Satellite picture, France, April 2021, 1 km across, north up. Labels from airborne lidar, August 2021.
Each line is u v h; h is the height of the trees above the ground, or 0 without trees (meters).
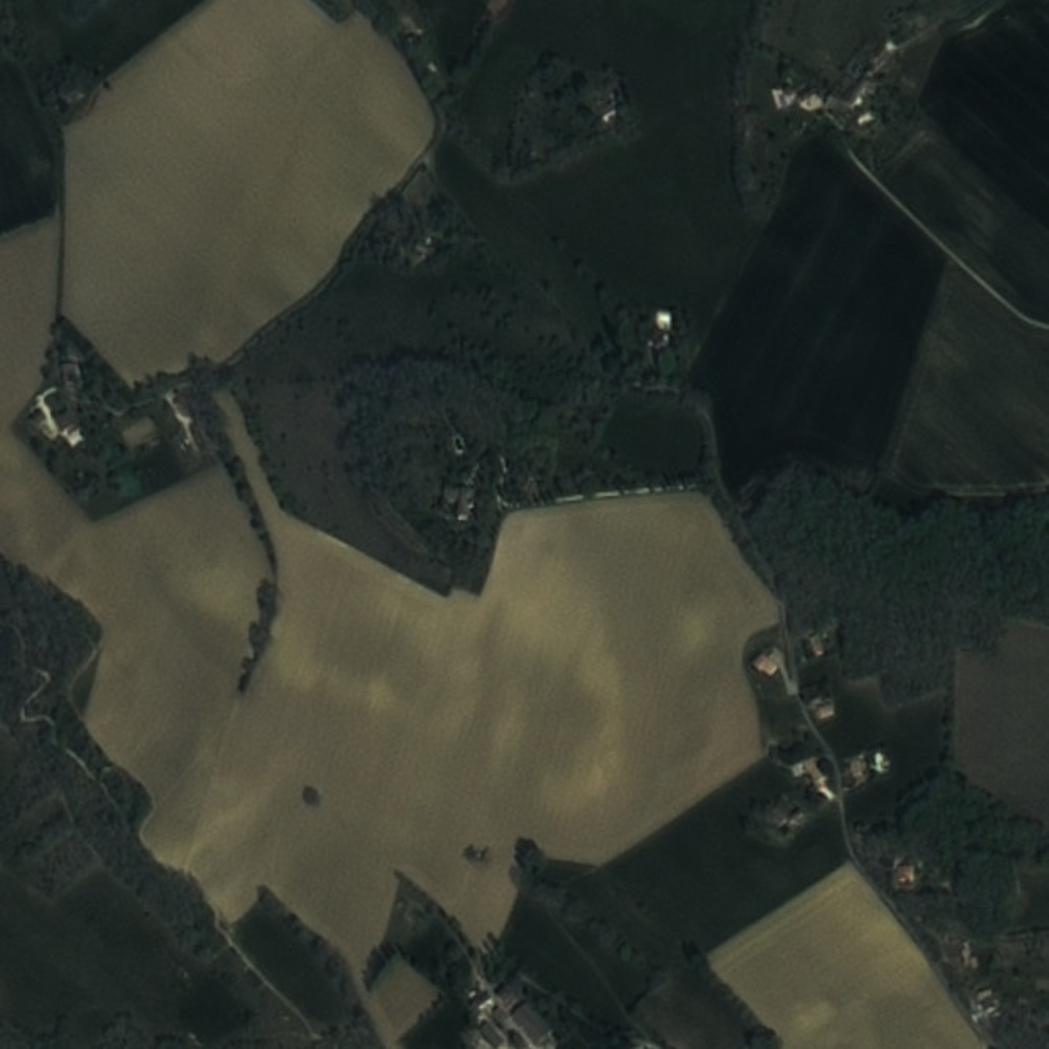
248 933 0
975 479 0
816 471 15
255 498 7
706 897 0
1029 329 0
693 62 0
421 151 0
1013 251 0
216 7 0
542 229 0
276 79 0
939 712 0
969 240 0
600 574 0
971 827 10
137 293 0
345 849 0
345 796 0
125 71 0
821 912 0
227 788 0
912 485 0
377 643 0
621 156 0
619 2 0
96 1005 0
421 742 0
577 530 0
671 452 0
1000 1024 10
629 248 0
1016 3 0
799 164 0
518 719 0
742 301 0
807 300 0
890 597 18
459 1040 0
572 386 7
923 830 21
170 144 0
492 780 0
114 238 0
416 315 0
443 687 0
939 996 0
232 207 0
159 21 0
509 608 0
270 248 0
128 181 0
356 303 0
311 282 0
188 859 0
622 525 0
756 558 16
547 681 0
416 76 16
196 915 16
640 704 0
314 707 0
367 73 0
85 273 0
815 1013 0
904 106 6
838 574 17
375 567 0
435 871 0
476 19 0
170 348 0
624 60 0
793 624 14
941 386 0
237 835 0
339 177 0
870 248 0
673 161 0
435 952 0
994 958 8
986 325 0
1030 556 22
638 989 0
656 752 0
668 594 0
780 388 0
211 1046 0
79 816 10
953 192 0
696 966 28
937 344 0
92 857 14
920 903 18
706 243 0
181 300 0
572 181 0
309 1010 0
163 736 0
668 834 0
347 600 0
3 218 0
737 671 0
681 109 0
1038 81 0
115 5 0
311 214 0
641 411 8
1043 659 0
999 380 0
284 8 0
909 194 0
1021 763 0
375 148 0
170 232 0
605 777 0
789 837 12
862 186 0
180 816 0
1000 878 18
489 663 0
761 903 0
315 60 0
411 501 11
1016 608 19
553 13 0
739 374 0
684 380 7
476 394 17
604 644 0
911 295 0
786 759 12
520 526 0
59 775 12
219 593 0
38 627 17
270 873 0
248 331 0
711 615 0
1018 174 0
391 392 18
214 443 18
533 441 16
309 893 0
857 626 14
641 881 0
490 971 17
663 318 0
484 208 0
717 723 0
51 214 0
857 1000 0
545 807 0
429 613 0
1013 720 0
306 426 0
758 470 0
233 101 0
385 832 0
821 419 0
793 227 0
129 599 0
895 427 0
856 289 0
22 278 0
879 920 0
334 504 0
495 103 0
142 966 0
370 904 0
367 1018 17
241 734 0
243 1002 0
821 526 17
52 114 8
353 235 0
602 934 12
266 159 0
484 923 0
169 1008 0
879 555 17
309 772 0
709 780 0
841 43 0
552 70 13
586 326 0
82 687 0
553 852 0
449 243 10
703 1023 0
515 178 9
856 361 0
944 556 22
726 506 17
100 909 0
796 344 0
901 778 0
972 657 0
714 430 0
